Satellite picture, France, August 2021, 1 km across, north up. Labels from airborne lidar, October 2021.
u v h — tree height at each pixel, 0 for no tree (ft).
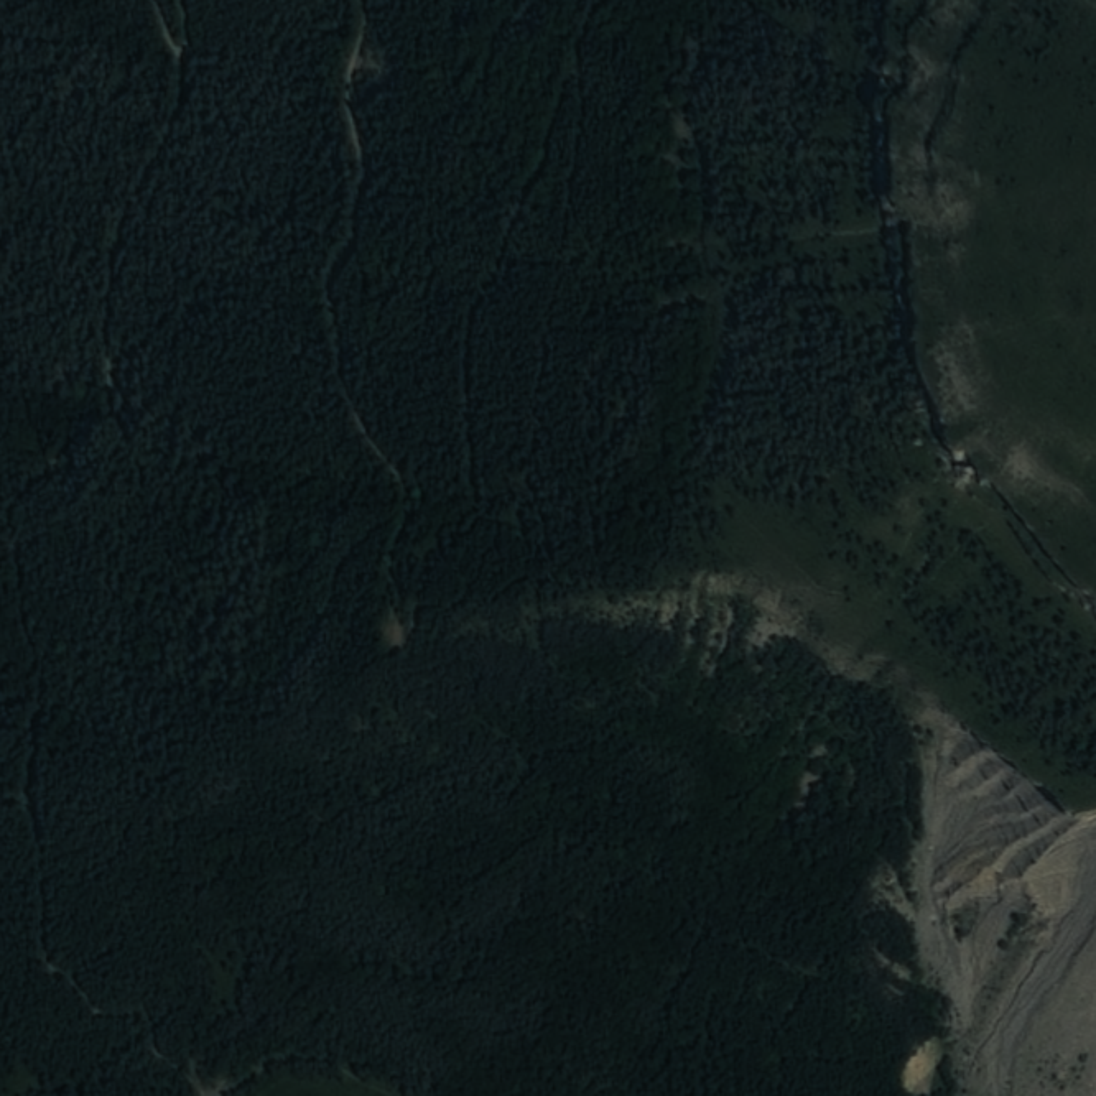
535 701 60
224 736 60
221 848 70
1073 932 0
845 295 24
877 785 39
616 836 57
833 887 63
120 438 107
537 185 59
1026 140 0
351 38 55
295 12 56
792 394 78
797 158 48
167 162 61
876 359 47
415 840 53
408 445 66
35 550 67
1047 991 0
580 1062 54
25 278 61
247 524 94
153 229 83
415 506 48
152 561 71
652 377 48
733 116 55
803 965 68
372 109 50
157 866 54
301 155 75
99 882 64
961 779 0
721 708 42
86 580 64
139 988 53
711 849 53
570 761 57
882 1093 52
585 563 67
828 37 24
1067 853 0
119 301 76
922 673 0
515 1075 64
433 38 44
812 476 39
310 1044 49
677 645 53
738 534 0
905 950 47
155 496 90
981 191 0
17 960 69
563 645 61
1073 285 0
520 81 58
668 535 55
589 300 23
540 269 65
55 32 79
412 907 52
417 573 46
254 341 65
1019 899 0
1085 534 0
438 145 61
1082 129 0
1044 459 0
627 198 31
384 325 40
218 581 105
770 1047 44
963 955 0
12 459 85
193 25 44
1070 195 0
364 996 65
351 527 50
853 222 0
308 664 66
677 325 76
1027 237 0
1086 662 61
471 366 51
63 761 101
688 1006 43
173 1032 72
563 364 66
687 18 55
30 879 59
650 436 51
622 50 33
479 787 51
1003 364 0
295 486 37
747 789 42
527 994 53
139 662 85
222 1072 21
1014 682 62
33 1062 69
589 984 80
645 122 47
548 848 64
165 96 79
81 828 60
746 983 31
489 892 41
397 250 39
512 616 23
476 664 57
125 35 40
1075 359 0
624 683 39
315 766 50
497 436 65
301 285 47
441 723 38
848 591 39
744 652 34
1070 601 46
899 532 34
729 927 58
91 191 86
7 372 113
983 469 0
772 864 81
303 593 39
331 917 48
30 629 61
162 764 71
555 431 73
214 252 68
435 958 58
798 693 24
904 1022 43
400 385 64
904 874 38
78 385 86
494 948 71
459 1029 68
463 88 72
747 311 53
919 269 0
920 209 0
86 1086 55
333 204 68
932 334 0
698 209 47
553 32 34
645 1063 66
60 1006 64
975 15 0
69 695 55
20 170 62
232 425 67
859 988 67
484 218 48
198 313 44
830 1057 41
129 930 58
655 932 46
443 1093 59
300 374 75
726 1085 60
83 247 42
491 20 73
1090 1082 0
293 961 87
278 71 71
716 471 46
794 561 0
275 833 64
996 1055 0
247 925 28
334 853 57
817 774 42
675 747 64
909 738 47
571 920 65
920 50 0
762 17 66
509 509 71
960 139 0
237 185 67
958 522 0
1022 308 0
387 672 50
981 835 0
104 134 52
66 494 52
